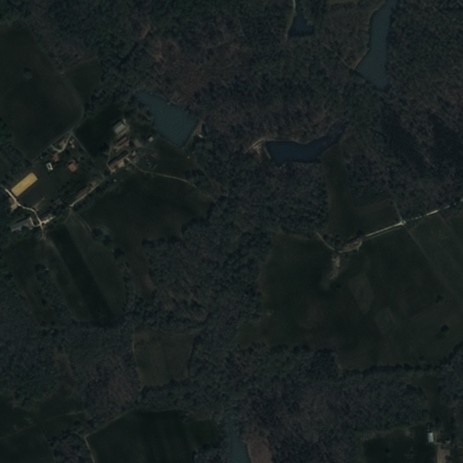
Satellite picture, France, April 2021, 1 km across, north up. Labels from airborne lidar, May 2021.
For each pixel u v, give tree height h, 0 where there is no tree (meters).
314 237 21
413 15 12
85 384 15
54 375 16
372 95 20
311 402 11
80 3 28
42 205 0
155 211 0
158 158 0
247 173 18
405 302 0
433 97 18
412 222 15
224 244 27
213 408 20
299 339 0
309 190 14
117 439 0
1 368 14
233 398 21
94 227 0
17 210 9
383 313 0
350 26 15
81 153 14
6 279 18
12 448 0
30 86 0
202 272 27
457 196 8
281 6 10
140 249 0
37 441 0
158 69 17
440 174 16
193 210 0
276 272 0
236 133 27
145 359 0
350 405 9
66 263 0
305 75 20
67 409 0
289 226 19
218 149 20
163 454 0
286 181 7
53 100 0
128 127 0
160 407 17
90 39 25
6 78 0
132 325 20
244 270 21
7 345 14
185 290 30
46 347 18
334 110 22
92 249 0
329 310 0
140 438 0
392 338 0
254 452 0
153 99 0
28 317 19
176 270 31
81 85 0
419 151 9
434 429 12
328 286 0
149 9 25
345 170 0
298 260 0
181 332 20
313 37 17
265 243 20
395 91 18
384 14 0
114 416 10
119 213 0
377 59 0
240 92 31
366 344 0
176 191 0
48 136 0
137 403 17
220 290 22
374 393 21
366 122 19
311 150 0
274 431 14
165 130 0
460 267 0
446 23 21
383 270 0
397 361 0
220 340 22
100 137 0
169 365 0
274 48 17
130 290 19
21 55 0
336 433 10
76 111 0
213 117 9
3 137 24
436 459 0
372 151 15
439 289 0
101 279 0
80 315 0
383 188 12
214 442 0
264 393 9
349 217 0
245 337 0
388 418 19
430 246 0
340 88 22
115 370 13
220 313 20
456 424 17
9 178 12
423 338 0
